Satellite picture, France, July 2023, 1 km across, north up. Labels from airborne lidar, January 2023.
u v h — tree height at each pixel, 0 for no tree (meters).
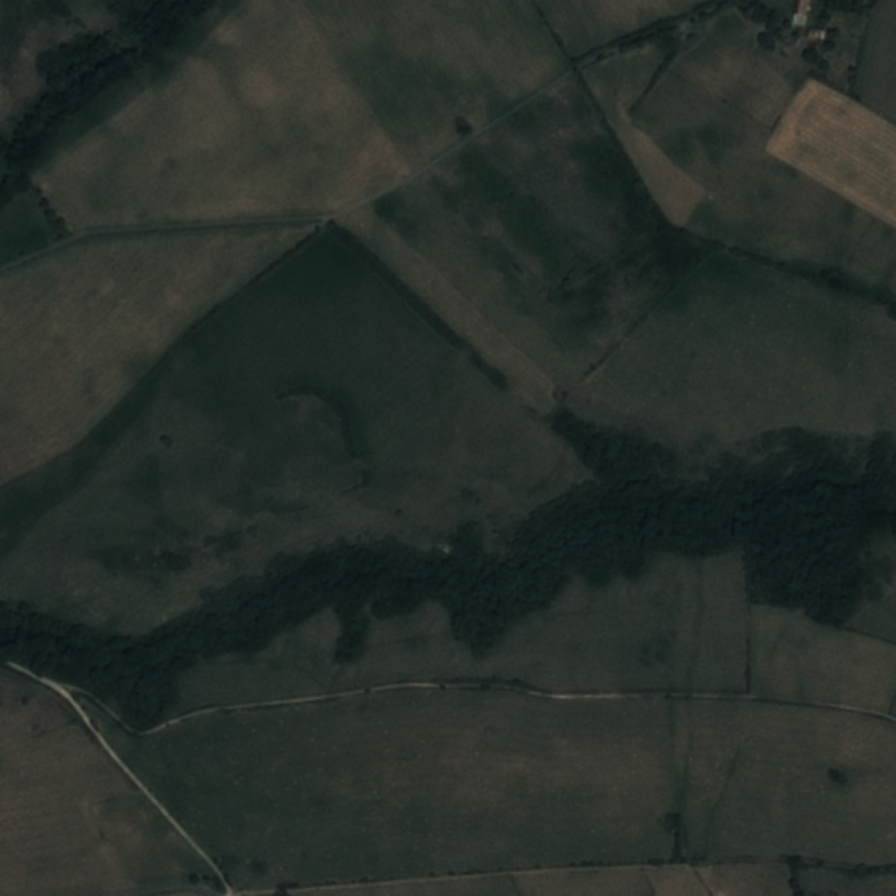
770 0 0
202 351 0
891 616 0
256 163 0
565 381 0
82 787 0
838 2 16
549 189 0
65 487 0
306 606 8
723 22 0
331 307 0
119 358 0
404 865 0
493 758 0
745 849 0
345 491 0
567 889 0
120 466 0
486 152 0
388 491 0
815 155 0
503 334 0
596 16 0
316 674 0
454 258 0
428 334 0
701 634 0
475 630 12
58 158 0
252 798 0
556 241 0
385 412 0
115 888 0
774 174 0
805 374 0
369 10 0
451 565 16
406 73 0
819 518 17
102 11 0
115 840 0
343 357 0
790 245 0
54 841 0
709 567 0
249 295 0
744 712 0
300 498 0
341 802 0
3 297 0
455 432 0
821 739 0
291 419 0
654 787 0
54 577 0
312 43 0
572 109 0
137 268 0
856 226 0
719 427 0
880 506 19
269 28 0
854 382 0
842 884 0
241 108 0
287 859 0
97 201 0
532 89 0
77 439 0
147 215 0
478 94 0
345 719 0
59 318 0
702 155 0
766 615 0
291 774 0
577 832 0
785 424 0
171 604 0
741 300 0
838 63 0
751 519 17
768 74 0
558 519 8
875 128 0
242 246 0
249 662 0
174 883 0
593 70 0
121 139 0
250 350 0
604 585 0
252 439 0
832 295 0
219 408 0
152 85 0
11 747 0
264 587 7
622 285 0
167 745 0
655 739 0
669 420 0
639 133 0
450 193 0
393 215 0
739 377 0
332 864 0
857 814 0
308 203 0
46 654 14
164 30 20
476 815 0
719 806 0
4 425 0
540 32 0
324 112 0
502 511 0
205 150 0
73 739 0
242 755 0
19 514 0
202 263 0
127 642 9
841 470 9
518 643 0
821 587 16
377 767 0
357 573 13
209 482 0
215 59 0
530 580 21
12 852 0
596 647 0
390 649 0
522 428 0
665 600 0
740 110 0
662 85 0
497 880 0
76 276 0
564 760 0
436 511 0
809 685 0
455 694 0
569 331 0
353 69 0
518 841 0
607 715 0
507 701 0
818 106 0
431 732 0
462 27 0
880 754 0
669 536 17
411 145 0
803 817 0
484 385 0
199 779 0
